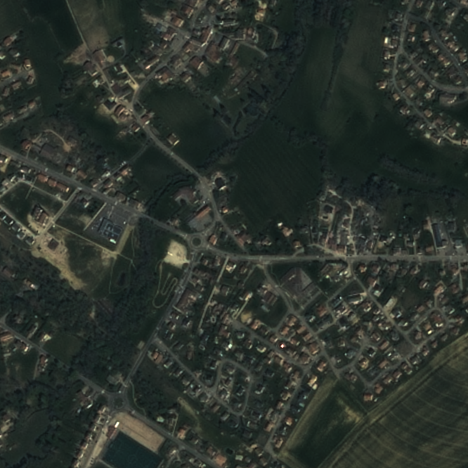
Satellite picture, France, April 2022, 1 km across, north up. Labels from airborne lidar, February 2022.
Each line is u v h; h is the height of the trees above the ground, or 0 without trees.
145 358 0
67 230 0
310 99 0
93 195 0
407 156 0
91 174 0
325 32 0
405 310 0
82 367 17
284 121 0
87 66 0
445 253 0
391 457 0
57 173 0
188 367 0
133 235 0
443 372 0
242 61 0
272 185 0
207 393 0
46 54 0
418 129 0
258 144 0
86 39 0
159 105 0
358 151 0
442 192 17
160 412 11
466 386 0
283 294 0
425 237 0
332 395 0
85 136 20
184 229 0
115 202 0
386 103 0
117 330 19
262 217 0
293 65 22
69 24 0
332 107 0
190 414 0
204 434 0
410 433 0
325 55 0
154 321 0
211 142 0
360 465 0
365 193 17
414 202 0
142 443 0
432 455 0
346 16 13
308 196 0
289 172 0
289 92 0
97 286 0
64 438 0
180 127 0
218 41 0
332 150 0
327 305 0
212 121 0
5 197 0
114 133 0
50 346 0
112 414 0
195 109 0
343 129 0
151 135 0
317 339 0
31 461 22
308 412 0
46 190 0
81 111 0
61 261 0
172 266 0
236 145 20
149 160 0
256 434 0
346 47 0
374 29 0
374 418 0
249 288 0
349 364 0
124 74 0
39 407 10
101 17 0
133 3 0
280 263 0
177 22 0
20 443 0
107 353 18
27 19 0
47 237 0
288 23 0
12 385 14
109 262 0
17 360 0
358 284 0
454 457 0
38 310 14
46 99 0
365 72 0
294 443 0
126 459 0
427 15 0
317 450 0
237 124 0
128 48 0
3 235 0
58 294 14
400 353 0
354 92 0
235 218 0
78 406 0
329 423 0
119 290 0
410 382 0
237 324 0
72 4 0
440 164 0
